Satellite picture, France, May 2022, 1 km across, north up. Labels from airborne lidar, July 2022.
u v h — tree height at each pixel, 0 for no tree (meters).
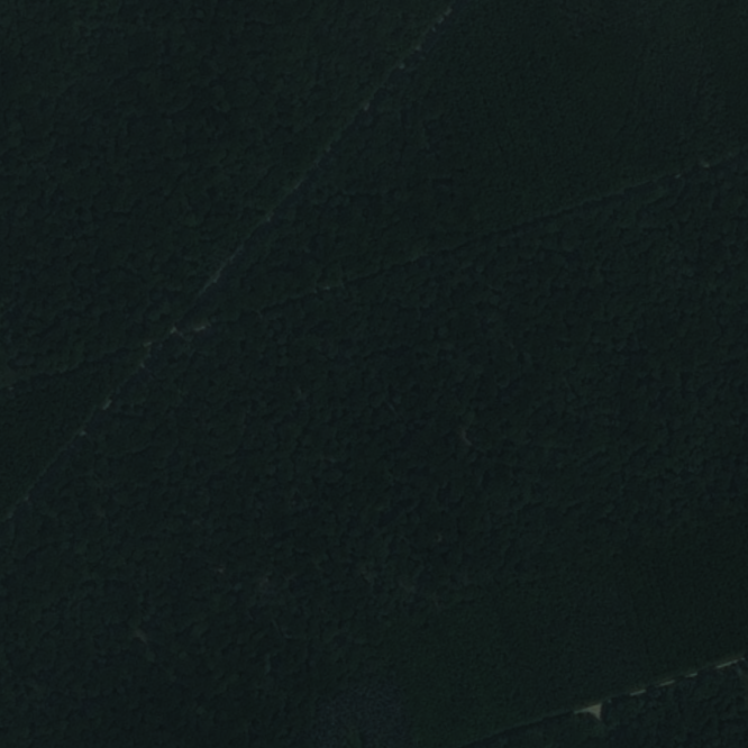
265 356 28
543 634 17
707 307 23
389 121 24
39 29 26
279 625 28
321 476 25
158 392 29
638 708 20
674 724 27
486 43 19
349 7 27
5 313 9
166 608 27
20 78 25
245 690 30
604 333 25
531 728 15
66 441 20
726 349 23
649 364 28
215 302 28
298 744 26
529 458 27
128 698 26
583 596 16
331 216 28
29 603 27
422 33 9
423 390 29
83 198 29
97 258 33
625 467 26
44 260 27
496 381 26
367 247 20
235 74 26
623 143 19
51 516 26
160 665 12
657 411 26
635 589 12
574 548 24
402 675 14
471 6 20
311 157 18
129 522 25
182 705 29
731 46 12
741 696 19
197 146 28
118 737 30
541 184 19
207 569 30
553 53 19
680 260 16
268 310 24
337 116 20
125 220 27
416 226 26
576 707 12
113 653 25
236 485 31
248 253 26
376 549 30
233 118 27
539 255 32
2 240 26
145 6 29
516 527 23
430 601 10
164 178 31
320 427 25
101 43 28
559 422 25
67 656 24
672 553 13
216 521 33
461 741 17
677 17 16
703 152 22
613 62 16
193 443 29
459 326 32
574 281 31
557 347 28
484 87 17
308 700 25
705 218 25
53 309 27
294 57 24
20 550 30
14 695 24
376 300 28
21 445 21
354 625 29
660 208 23
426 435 32
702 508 25
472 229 24
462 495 30
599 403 22
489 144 17
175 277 29
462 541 28
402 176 30
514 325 30
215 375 30
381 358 31
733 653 10
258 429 32
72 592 27
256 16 28
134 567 29
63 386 20
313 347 28
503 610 17
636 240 23
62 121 30
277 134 26
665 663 12
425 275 21
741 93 15
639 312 24
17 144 25
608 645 17
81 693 7
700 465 21
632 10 19
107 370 19
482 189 19
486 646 15
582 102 20
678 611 11
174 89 30
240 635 30
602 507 24
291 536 31
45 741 31
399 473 31
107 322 33
